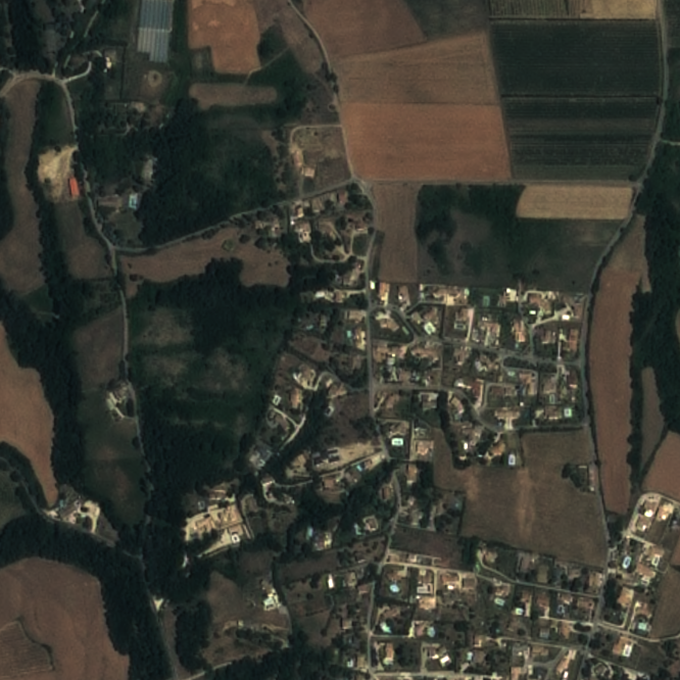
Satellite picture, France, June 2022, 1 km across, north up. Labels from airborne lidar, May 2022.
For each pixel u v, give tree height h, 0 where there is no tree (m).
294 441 6
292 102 7
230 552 10
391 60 0
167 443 12
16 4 12
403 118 0
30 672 0
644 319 10
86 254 0
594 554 0
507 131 0
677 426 15
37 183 9
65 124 0
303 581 6
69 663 0
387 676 0
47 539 11
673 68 0
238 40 0
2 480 0
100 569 13
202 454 11
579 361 0
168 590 14
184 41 0
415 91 0
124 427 0
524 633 8
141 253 6
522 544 0
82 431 33
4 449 10
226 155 0
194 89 0
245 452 11
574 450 0
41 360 16
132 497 0
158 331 0
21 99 0
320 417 6
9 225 15
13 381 0
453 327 0
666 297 7
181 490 14
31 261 0
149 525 6
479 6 0
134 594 23
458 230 0
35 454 0
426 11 0
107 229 13
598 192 0
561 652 0
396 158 0
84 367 0
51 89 8
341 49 0
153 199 20
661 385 13
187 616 13
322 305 6
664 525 0
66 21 13
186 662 19
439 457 0
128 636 17
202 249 0
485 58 0
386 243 0
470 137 0
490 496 0
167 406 9
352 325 0
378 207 0
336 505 9
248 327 6
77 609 0
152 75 0
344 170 0
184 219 10
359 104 0
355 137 0
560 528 0
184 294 17
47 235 20
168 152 17
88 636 0
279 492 8
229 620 0
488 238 0
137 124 12
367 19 0
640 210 8
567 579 8
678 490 0
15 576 0
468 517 0
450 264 0
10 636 0
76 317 14
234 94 0
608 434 0
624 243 0
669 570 0
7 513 0
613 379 0
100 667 0
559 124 0
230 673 9
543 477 0
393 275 0
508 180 0
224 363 0
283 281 0
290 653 9
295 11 0
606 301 0
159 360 0
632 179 9
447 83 0
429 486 11
